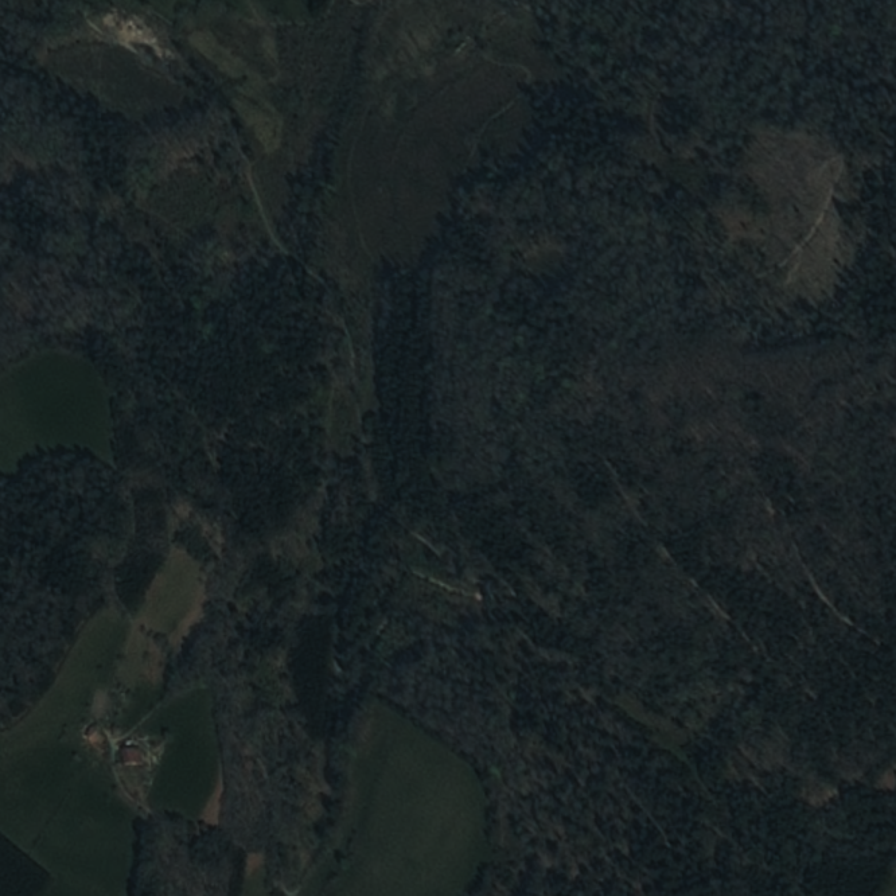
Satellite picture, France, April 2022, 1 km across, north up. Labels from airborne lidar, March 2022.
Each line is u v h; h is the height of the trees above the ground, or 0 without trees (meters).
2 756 0
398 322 21
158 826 14
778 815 27
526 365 31
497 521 26
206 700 0
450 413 30
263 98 0
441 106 0
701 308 27
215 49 0
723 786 35
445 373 32
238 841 30
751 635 33
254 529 26
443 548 30
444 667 26
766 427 27
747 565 28
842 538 29
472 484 31
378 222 0
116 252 29
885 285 21
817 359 28
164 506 12
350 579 24
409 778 0
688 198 27
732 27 14
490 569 24
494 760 30
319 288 16
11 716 23
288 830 31
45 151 34
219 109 32
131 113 0
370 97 0
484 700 33
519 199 31
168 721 0
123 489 19
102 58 0
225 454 28
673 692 29
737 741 26
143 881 25
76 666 0
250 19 0
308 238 30
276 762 34
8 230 33
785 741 30
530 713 32
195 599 0
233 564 26
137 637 0
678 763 9
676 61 33
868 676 27
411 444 32
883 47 31
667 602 29
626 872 32
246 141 32
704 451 27
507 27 0
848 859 19
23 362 13
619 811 27
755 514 27
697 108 26
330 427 25
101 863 0
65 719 0
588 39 27
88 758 0
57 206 32
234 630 36
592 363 24
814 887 21
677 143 33
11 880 16
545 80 0
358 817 0
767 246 0
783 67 24
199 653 27
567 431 26
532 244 27
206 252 38
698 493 23
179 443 31
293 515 26
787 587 25
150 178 33
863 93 19
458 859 0
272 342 22
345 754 26
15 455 0
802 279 0
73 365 0
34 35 27
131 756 0
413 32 0
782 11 29
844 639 29
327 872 0
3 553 15
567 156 28
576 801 27
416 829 0
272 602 15
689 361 27
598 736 16
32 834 0
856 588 27
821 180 0
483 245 29
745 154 21
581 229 27
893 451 27
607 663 27
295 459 26
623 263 25
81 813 0
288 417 25
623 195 34
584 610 22
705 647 31
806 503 33
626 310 22
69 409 0
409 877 0
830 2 30
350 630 35
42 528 15
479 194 22
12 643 25
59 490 17
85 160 31
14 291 37
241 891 12
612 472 27
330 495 24
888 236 24
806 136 24
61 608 27
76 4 24
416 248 0
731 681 31
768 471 30
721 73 28
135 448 13
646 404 27
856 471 29
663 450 27
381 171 0
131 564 8
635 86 29
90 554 21
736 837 9
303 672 16
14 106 37
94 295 26
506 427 28
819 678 25
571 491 24
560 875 16
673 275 27
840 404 32
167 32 0
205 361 27
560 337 32
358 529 28
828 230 0
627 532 27
